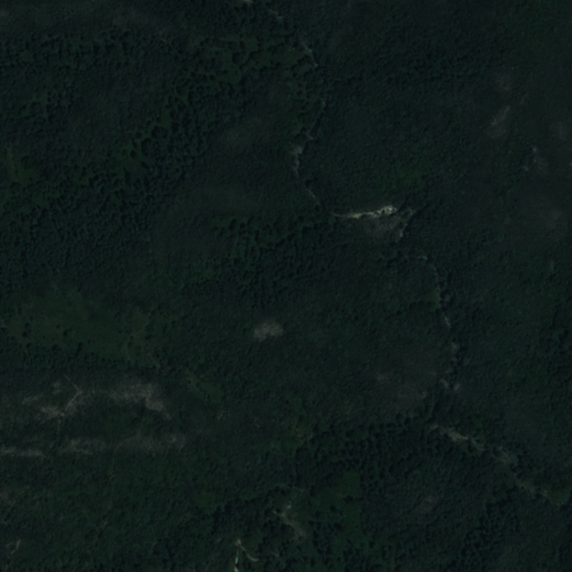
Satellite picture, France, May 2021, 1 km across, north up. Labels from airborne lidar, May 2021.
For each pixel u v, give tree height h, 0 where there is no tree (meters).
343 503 7
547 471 14
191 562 8
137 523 9
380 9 8
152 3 14
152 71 16
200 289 12
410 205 24
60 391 6
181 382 17
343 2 7
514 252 7
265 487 22
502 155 7
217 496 9
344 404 7
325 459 20
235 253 15
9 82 11
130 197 22
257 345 13
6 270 19
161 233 7
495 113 7
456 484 20
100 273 12
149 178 19
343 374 7
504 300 13
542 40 7
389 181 15
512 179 6
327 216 24
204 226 16
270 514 16
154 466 21
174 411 10
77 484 13
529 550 9
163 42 18
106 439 6
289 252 18
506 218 13
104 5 8
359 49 9
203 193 8
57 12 8
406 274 12
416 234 13
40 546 7
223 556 9
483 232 10
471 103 13
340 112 11
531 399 9
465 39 6
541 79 7
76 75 14
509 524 20
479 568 21
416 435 15
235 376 20
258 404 7
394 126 11
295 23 18
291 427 12
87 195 8
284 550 14
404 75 14
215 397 8
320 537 21
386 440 18
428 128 12
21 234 23
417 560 17
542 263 8
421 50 17
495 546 18
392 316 20
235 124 12
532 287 8
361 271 21
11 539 13
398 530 13
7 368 11
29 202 16
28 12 9
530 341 6
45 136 25
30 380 9
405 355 7
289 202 11
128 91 16
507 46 7
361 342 12
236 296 11
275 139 14
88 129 12
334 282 10
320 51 17
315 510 6
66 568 18
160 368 6
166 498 12
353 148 8
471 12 7
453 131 10
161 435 11
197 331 10
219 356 15
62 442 9
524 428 8
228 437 8
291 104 7
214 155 12
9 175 11
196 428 11
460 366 13
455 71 10
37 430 12
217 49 10
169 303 8
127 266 10
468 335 14
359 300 15
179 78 12
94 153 17
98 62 16
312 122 21
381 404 9
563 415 13
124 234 21
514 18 8
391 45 13
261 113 8
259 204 7
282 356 11
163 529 16
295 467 13
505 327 7
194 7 21
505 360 9
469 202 8
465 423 19
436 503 5
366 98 10
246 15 18
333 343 10
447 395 18
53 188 10
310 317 9
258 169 20
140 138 21
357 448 25
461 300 8
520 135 10
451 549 18
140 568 23
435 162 12
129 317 7
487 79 5
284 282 21
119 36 25
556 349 16
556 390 15
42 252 21
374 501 20
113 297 9
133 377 6
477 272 10
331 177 11
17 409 7
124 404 9
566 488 16
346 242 16
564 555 23
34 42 31
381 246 14
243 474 11
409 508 8
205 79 20
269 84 19
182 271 13
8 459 12
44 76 20
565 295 7
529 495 19
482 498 15
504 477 20
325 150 10
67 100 15
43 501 13
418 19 6
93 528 7
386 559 13
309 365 8
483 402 7
